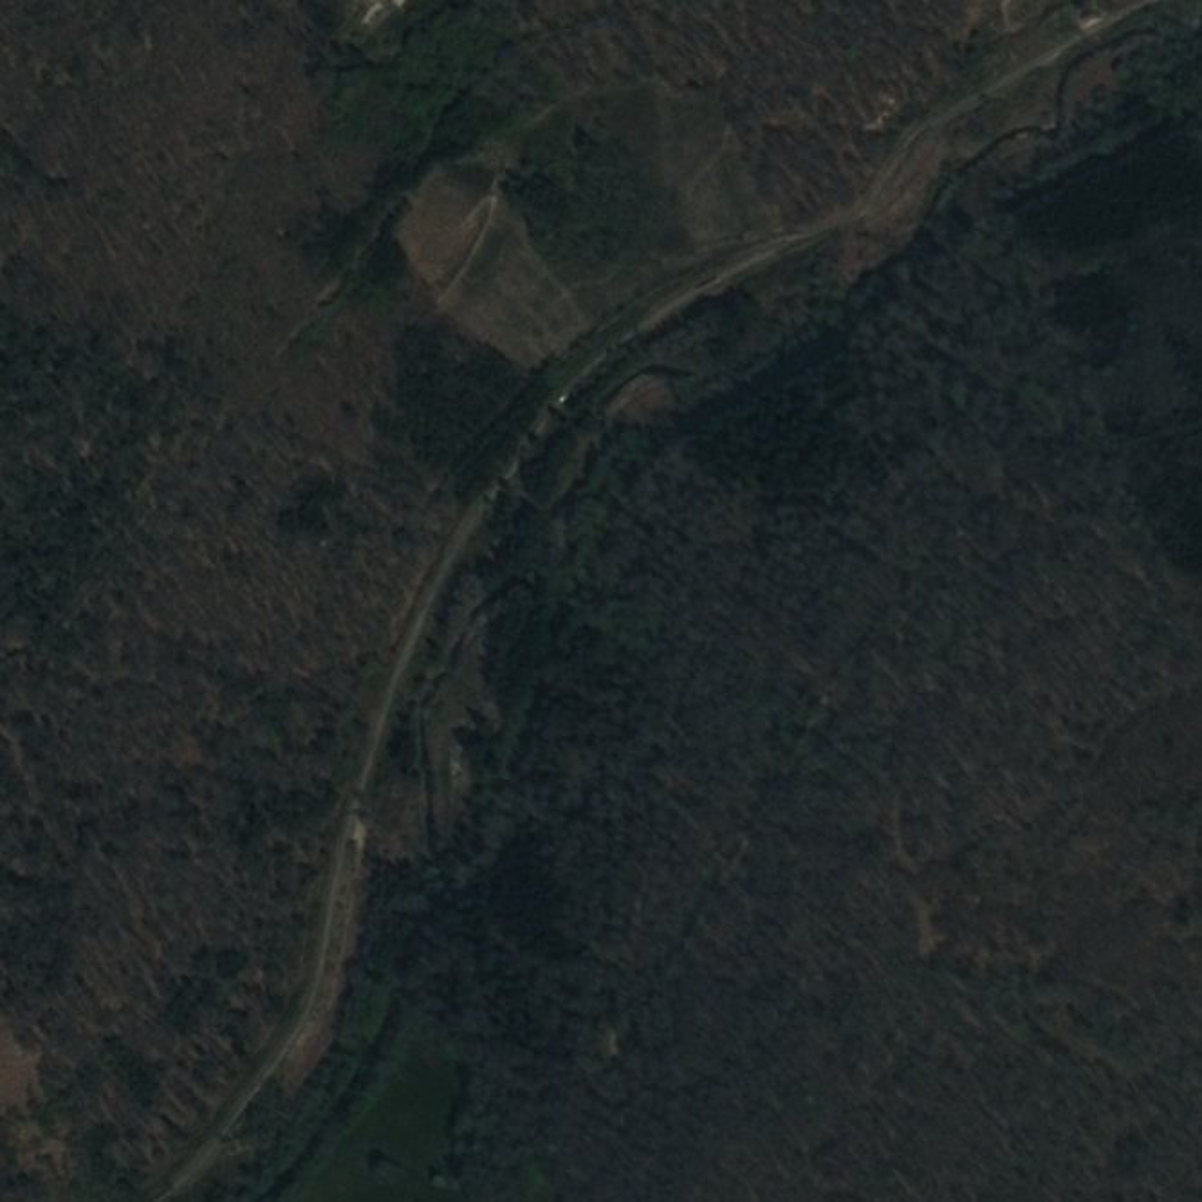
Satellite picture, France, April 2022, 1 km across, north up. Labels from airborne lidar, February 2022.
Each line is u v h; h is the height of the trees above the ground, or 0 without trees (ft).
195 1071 114
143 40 62
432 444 88
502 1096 97
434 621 0
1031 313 92
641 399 0
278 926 73
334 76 109
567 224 104
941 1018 97
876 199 0
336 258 65
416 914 94
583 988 91
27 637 96
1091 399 90
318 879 66
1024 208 73
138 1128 112
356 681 99
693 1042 107
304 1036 0
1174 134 67
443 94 73
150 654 102
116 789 100
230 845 106
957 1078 90
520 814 81
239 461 91
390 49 0
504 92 101
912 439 73
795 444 112
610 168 77
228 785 100
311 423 61
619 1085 95
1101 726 25
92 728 95
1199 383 67
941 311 115
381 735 0
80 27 65
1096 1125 107
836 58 106
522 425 76
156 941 114
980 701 98
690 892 94
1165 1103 110
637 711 93
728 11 92
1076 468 79
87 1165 81
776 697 70
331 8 71
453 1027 111
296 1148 55
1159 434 67
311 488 86
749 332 76
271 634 84
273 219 65
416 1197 0
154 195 54
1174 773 49
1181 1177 103
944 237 0
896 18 118
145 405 74
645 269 0
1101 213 69
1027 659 89
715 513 98
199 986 102
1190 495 73
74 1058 107
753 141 82
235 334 52
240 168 45
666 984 86
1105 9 0
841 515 94
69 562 91
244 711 100
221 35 56
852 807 96
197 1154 0
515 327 0
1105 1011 84
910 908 101
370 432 71
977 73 83
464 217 0
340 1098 46
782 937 103
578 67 114
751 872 84
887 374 56
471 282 0
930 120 0
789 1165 93
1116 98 31
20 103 58
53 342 91
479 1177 82
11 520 83
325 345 52
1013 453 99
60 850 90
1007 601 99
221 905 117
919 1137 88
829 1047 100
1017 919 31
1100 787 78
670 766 93
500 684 114
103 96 49
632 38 119
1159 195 82
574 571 48
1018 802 95
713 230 0
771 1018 106
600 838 95
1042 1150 99
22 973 90
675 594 98
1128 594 94
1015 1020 97
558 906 85
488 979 120
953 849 31
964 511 63
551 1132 114
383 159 48
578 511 75
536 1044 113
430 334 87
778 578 104
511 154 0
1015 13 0
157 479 82
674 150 0
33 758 37
